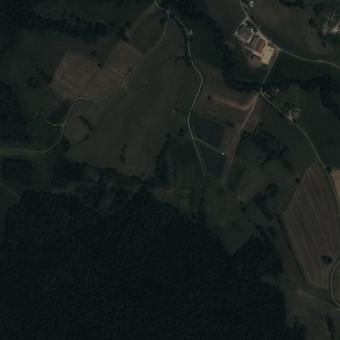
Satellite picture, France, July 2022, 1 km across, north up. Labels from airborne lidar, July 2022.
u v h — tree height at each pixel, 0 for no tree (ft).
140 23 0
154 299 92
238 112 0
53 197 53
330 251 0
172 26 0
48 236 79
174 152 0
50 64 0
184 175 0
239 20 0
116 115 0
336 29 0
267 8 0
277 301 34
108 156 0
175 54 0
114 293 79
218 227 0
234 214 0
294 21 0
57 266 102
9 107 82
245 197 0
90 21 0
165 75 0
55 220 81
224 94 0
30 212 87
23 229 92
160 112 0
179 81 0
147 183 49
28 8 113
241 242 0
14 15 50
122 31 52
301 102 0
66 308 106
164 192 0
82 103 0
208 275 89
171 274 94
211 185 0
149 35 0
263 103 0
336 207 0
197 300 92
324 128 0
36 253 88
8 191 0
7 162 49
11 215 72
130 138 0
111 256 62
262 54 0
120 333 78
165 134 0
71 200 23
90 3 0
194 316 78
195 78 0
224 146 0
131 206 51
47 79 35
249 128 0
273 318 70
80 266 107
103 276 70
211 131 0
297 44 0
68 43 0
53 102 0
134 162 0
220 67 0
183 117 0
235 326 52
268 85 30
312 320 0
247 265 37
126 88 0
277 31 0
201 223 53
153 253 89
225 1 0
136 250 106
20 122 76
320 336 0
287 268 0
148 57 0
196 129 0
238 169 0
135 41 0
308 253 0
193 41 0
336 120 0
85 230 76
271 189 38
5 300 74
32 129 0
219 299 25
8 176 62
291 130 0
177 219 77
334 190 0
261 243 56
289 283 0
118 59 0
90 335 56
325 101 61
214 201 0
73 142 0
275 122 0
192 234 104
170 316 92
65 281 91
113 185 0
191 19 60
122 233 86
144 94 0
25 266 93
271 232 46
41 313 102
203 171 0
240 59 0
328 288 0
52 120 0
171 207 76
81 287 106
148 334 108
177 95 0
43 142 0
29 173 63
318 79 52
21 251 81
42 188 0
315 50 0
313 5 29
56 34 0
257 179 0
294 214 0
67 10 19
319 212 0
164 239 107
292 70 0
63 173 19
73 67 0
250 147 0
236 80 53
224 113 0
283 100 0
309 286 0
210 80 0
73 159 0
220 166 0
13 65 0
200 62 0
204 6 0
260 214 0
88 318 94
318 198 0
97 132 0
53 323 96
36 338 104
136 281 71
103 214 59
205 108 0
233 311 28
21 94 0
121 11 0
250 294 76
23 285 54
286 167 36
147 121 0
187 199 0
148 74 0
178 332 92
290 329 70
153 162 0
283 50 0
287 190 0
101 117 0
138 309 95
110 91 0
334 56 0
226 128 0
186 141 0
